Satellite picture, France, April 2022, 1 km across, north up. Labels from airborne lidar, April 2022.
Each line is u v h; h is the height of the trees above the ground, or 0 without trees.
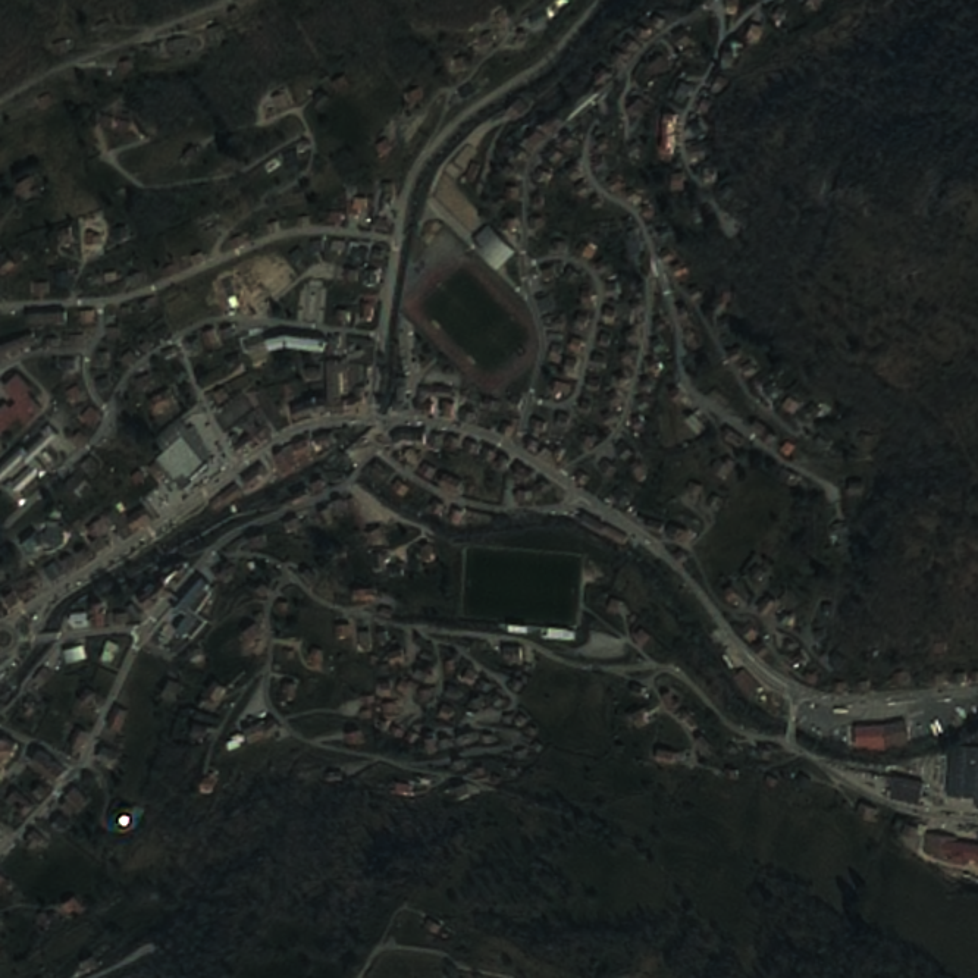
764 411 0
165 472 0
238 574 0
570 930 23
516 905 23
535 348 0
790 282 8
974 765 0
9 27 8
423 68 8
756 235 15
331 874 9
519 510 0
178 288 6
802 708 0
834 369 10
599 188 0
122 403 16
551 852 13
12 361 0
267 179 0
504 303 0
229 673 0
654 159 0
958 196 0
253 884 0
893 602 10
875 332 7
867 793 0
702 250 23
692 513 0
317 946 0
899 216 11
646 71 0
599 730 0
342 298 0
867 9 0
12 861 0
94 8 11
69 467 0
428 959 0
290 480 0
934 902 0
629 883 0
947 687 0
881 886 0
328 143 0
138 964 0
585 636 0
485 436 0
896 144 7
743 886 0
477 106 0
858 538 7
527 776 7
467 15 14
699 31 0
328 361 0
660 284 0
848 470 0
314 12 8
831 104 9
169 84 23
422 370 0
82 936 0
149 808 8
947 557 8
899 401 20
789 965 8
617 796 0
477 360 0
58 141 0
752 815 0
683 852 0
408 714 0
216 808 0
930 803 0
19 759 0
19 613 0
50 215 0
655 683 0
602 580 0
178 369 10
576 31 0
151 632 0
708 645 15
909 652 11
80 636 0
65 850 0
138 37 0
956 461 7
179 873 0
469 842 15
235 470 0
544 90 7
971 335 7
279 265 0
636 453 0
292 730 0
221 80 17
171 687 0
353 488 0
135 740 0
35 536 0
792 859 0
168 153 0
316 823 18
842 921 20
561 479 0
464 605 0
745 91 0
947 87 8
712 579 0
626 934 13
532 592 0
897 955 13
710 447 7
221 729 0
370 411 0
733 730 0
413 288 0
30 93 8
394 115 0
